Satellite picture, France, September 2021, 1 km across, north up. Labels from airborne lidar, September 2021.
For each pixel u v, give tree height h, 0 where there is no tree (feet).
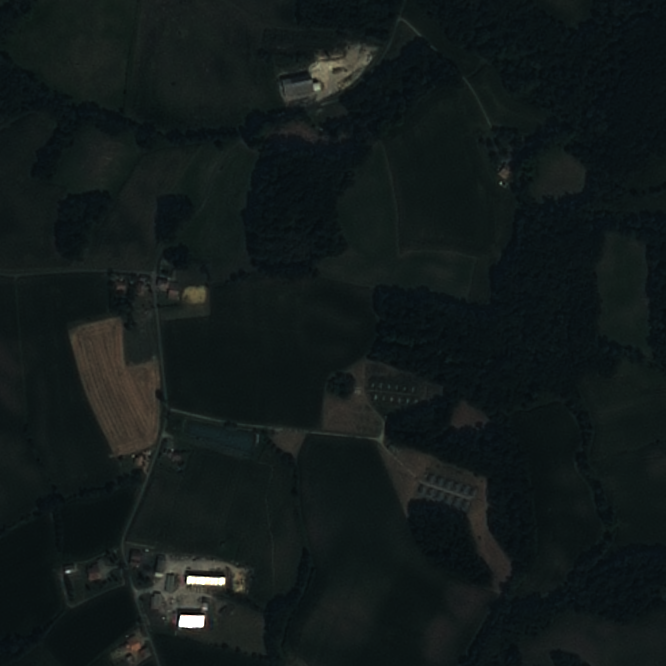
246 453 0
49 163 70
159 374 0
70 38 0
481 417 0
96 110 57
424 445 78
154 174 0
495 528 74
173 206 68
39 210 0
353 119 46
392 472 0
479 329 81
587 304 68
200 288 0
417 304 71
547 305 102
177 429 0
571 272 59
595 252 64
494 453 75
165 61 0
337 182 54
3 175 0
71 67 0
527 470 86
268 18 0
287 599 30
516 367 101
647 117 65
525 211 58
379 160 0
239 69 0
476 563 83
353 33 38
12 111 67
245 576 0
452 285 0
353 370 0
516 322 93
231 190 0
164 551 0
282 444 0
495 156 31
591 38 69
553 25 55
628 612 72
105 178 0
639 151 62
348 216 0
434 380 32
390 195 0
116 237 0
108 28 0
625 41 71
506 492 76
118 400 0
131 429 0
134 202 0
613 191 75
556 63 28
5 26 53
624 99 70
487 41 47
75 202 46
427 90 64
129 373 0
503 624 69
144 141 67
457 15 68
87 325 0
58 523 34
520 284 78
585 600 64
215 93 0
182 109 0
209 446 0
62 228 61
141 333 0
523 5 58
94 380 0
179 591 0
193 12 0
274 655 58
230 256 0
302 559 18
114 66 0
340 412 0
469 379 73
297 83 0
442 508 52
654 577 83
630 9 71
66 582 35
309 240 26
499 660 27
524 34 57
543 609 84
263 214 67
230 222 0
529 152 55
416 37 0
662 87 72
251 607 41
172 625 0
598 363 65
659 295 53
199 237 0
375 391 0
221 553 0
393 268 0
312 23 59
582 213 66
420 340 75
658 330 44
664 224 73
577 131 56
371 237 0
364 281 0
